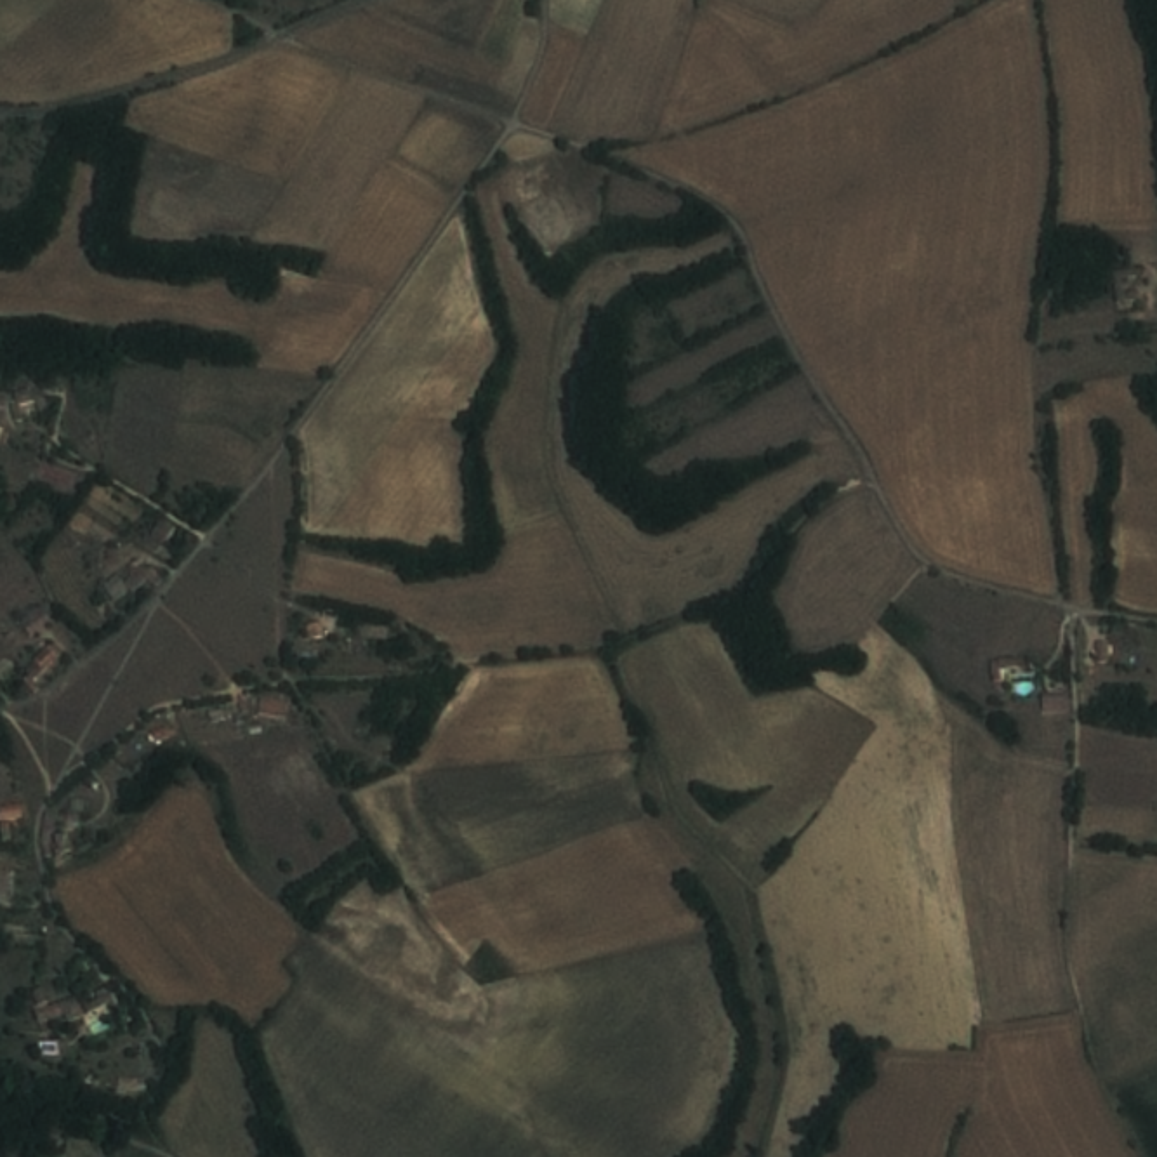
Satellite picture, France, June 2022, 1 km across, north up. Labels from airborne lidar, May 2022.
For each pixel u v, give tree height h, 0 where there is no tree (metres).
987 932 0
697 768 0
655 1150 0
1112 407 0
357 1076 0
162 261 20
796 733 0
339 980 0
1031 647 0
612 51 0
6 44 0
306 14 7
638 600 0
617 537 0
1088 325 0
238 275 18
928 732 0
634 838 0
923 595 0
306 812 0
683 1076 0
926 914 0
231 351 15
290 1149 11
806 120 0
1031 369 0
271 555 0
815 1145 13
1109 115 0
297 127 0
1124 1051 0
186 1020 13
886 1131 0
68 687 0
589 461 20
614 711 0
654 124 0
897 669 0
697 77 0
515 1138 0
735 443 0
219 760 0
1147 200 0
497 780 0
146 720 13
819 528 0
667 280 13
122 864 0
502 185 0
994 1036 0
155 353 17
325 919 10
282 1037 0
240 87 0
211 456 0
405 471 0
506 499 0
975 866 0
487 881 0
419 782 0
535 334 0
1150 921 0
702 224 13
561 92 0
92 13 0
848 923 0
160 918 0
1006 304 0
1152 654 0
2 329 14
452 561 13
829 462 0
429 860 0
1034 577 0
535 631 0
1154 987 0
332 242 0
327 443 0
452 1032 0
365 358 0
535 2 7
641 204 0
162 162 0
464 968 0
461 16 0
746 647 18
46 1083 14
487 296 7
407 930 0
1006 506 0
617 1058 0
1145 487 0
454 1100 0
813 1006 0
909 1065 0
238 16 9
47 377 14
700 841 0
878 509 0
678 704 0
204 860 0
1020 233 0
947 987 0
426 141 0
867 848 0
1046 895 0
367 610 9
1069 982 0
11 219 11
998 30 0
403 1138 0
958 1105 0
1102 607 9
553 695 0
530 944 0
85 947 15
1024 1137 0
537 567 0
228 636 0
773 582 10
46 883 13
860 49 0
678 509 17
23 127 7
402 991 0
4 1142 11
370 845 9
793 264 0
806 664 15
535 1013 0
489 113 0
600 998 0
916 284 0
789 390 0
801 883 0
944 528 0
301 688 9
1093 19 0
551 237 0
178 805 0
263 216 0
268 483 0
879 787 0
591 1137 0
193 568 0
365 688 7
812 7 0
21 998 14
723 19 0
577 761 0
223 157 0
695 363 0
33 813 0
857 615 0
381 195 0
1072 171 0
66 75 0
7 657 0
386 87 0
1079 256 16
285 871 11
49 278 0
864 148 0
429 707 11
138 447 0
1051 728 0
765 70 0
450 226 0
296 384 0
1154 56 9
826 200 0
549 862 0
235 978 0
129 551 0
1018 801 0
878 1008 0
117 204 18
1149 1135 0
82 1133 8
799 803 0
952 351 0
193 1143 0
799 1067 0
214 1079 0
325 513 0
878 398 0
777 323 0
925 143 0
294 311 0
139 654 0
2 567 0
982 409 0
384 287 0
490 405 17
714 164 0
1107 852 14
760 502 0
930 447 0
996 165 0
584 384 23
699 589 0
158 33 0
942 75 0
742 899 0
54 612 9
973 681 0
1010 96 0
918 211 0
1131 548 0
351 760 6
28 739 0
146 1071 0
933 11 0
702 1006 0
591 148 10
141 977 0
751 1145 0
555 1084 0
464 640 0
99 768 14
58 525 6
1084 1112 0
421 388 0
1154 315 0
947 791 0
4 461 0
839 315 0
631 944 0
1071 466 0
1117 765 0
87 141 16
